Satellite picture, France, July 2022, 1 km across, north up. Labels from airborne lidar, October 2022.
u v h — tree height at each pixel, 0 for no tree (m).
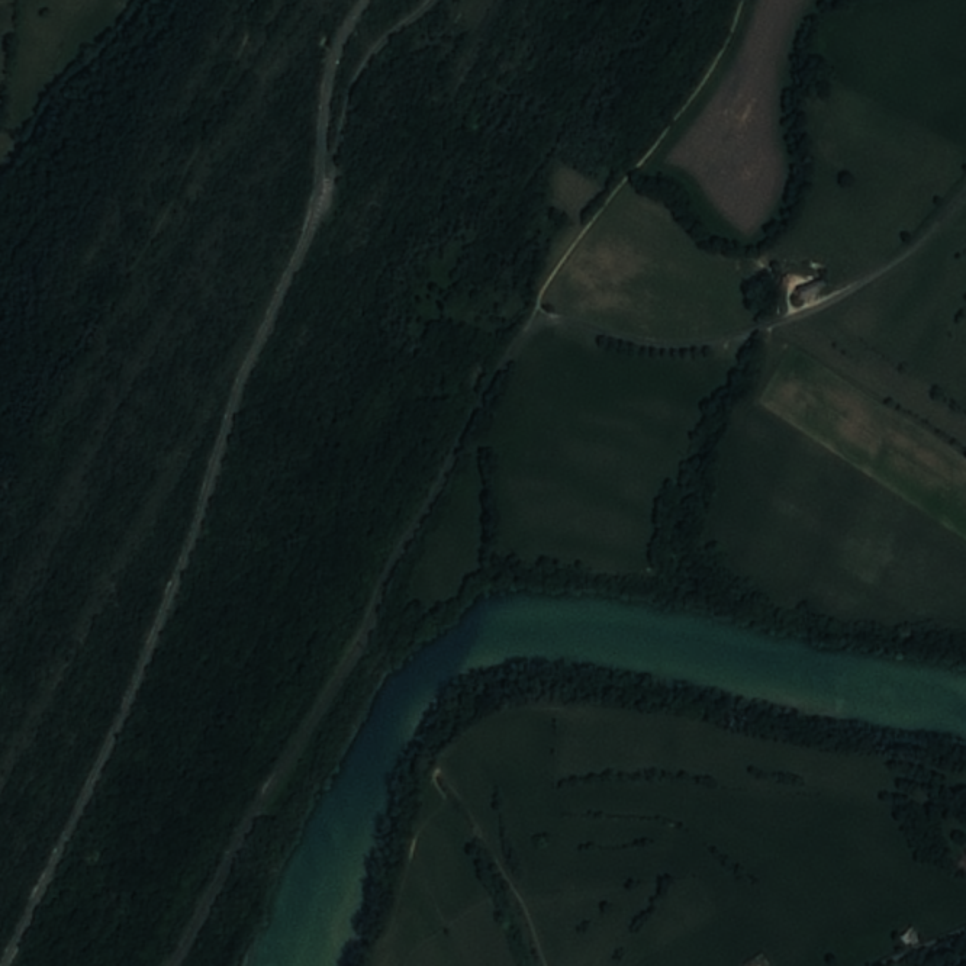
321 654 10
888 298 0
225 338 11
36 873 9
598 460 0
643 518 0
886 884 0
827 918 0
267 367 10
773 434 0
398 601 13
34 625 13
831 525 0
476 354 14
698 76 10
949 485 0
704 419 8
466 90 14
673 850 0
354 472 9
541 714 0
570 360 0
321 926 0
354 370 15
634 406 0
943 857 15
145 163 8
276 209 6
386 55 7
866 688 0
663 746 0
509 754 0
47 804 7
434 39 15
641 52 21
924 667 0
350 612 6
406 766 12
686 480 13
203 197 6
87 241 7
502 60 12
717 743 0
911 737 20
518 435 0
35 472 6
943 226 0
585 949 0
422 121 15
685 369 0
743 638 0
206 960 12
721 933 0
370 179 8
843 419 0
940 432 8
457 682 11
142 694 14
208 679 18
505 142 21
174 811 20
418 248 24
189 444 5
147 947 12
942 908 0
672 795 0
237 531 13
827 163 0
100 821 17
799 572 0
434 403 16
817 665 0
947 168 0
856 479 0
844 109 0
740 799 0
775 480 0
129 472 13
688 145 0
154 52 7
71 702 8
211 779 15
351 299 15
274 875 6
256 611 12
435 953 0
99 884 14
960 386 0
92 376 8
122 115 8
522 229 16
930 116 0
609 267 0
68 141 18
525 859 0
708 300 0
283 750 10
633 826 0
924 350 0
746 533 0
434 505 11
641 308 0
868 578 0
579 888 0
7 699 9
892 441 0
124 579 8
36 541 6
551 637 0
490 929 0
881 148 0
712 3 16
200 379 8
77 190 8
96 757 10
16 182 12
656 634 0
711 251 16
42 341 15
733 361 0
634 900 0
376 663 9
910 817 10
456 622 9
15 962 7
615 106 19
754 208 0
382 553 9
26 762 9
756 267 0
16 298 8
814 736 16
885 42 0
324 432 19
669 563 18
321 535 16
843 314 0
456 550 0
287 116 10
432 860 0
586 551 0
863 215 0
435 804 0
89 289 16
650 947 0
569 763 0
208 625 14
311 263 10
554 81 17
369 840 0
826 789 0
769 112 0
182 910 6
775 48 0
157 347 8
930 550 0
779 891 0
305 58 7
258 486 8
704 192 0
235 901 16
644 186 21
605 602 0
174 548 8
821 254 0
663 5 11
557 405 0
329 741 10
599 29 21
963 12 0
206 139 10
